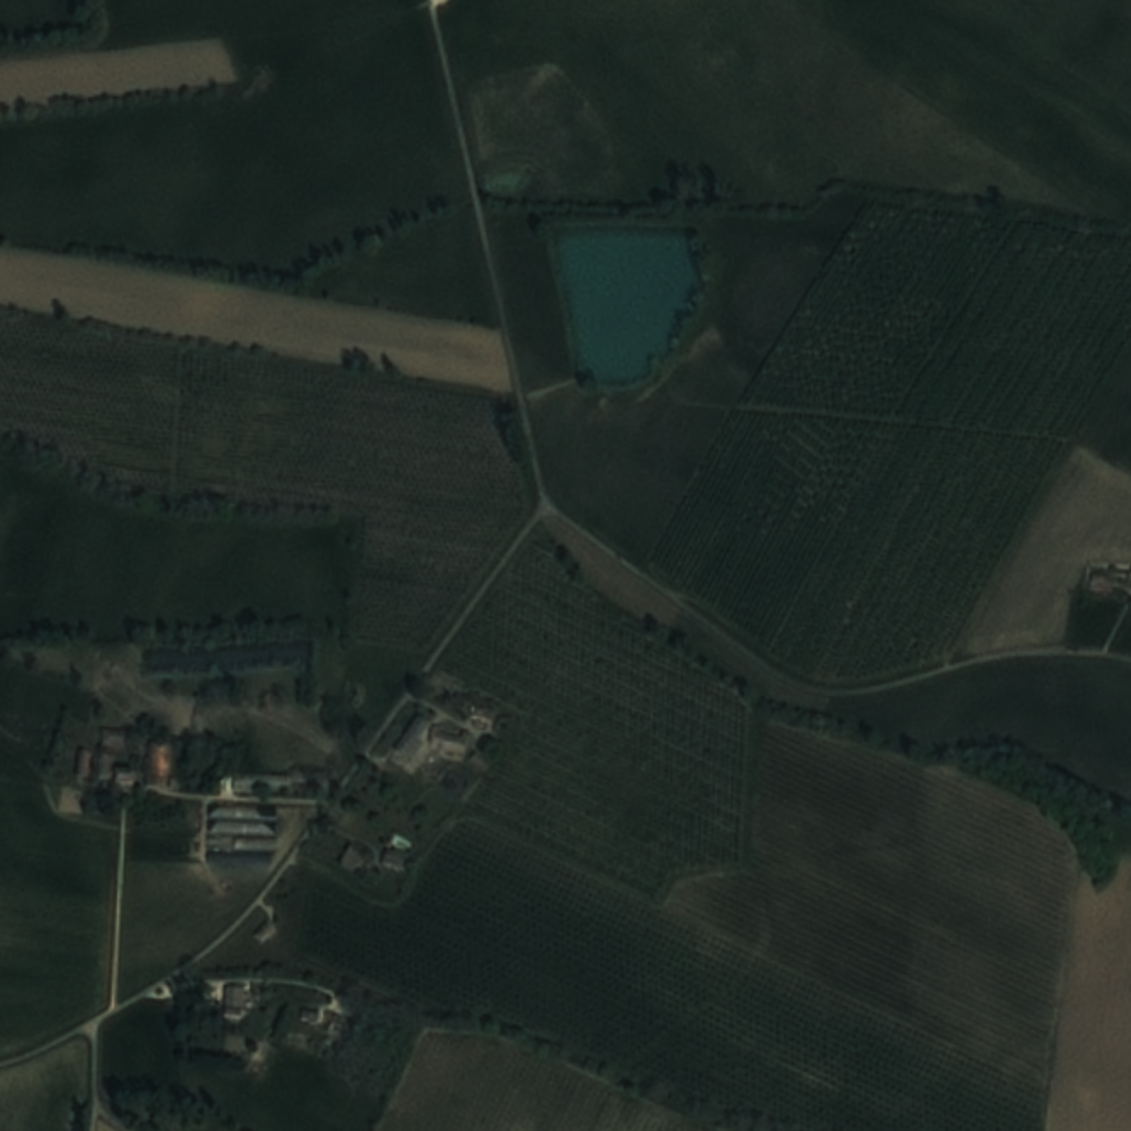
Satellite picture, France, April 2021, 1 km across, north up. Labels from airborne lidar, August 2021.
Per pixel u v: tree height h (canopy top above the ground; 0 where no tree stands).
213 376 6
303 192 0
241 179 0
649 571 0
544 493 0
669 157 0
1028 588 0
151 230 0
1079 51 0
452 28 0
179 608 0
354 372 22
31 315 10
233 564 0
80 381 6
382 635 5
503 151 0
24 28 0
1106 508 0
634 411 0
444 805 0
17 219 0
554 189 0
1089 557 0
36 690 0
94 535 0
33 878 0
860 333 6
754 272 0
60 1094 0
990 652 0
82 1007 0
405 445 6
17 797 0
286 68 0
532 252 0
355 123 0
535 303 0
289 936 0
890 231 5
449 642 0
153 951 0
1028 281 6
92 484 17
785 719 14
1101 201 0
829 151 0
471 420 7
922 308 6
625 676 6
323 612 0
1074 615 0
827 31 0
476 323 6
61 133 0
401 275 0
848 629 6
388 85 0
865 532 6
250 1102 0
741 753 6
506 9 0
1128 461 0
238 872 0
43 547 0
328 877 0
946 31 0
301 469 5
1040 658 0
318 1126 0
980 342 7
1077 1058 0
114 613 0
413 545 6
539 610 6
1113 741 0
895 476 6
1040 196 0
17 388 6
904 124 0
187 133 0
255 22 0
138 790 12
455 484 6
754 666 0
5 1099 0
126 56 0
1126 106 0
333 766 9
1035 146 0
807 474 6
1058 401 5
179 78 0
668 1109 0
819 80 0
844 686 0
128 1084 0
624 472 0
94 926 0
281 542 0
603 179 0
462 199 0
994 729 0
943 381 6
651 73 0
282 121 0
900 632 6
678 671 6
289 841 0
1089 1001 0
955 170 0
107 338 6
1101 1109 0
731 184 0
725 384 0
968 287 5
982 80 0
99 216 0
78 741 0
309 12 0
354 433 6
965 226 6
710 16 0
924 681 0
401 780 0
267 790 15
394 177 0
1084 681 0
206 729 0
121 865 0
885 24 0
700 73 0
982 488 6
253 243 0
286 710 14
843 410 6
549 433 0
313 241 0
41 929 0
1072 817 22
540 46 0
